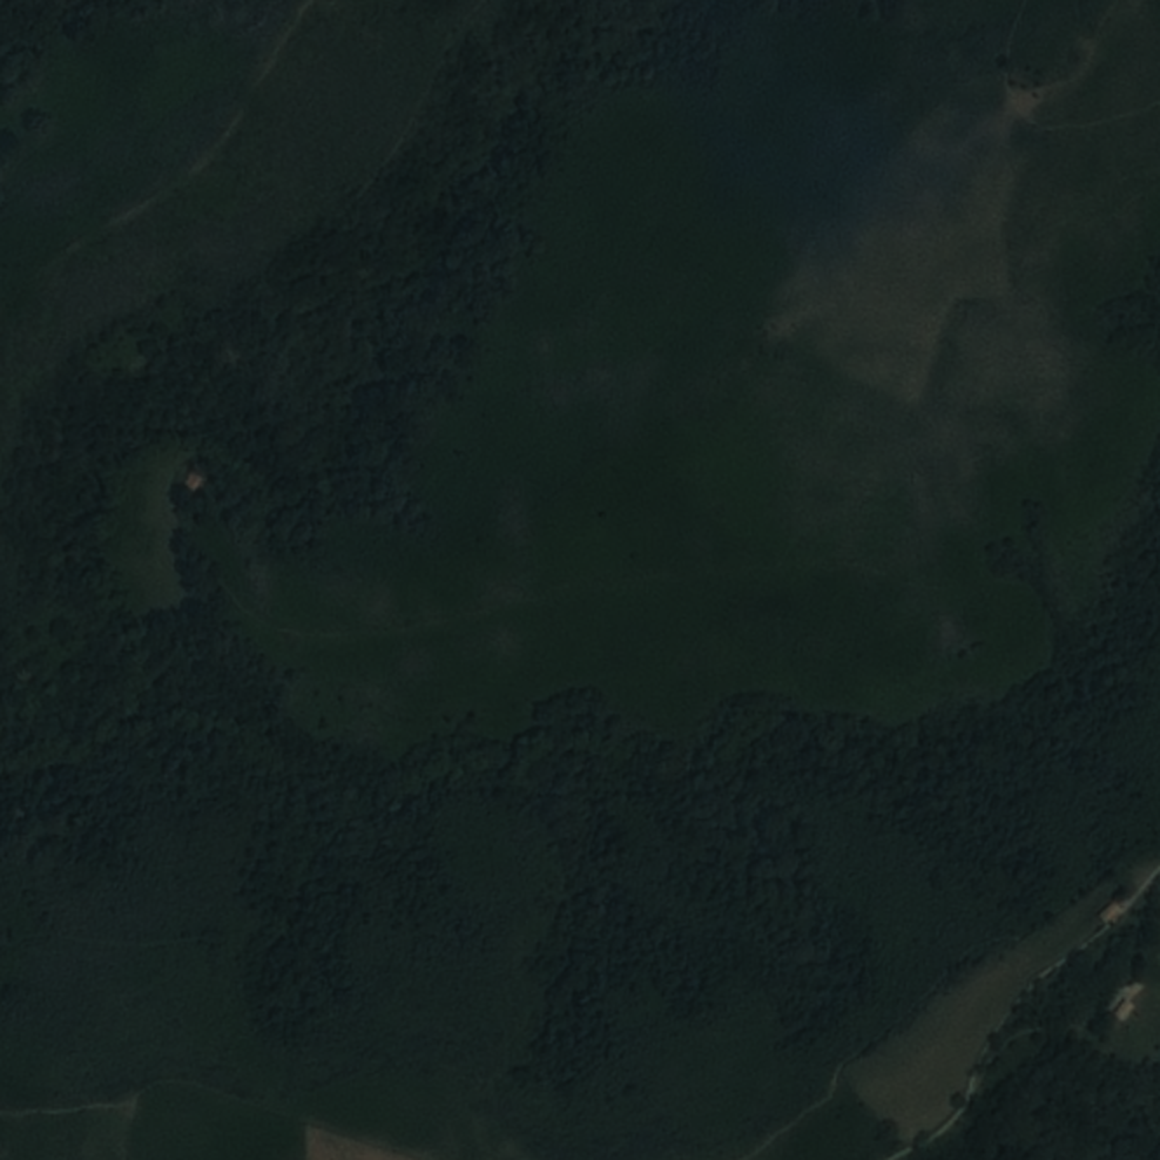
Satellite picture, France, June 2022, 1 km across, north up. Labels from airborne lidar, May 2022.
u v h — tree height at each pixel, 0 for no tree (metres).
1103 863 7
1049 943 0
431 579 0
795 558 0
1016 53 0
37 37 9
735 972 8
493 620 0
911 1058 0
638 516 0
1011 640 0
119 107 0
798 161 0
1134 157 0
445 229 31
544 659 0
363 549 0
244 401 8
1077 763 14
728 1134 0
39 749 30
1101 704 11
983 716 11
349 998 15
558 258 0
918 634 0
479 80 18
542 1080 6
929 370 0
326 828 13
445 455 0
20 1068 0
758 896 14
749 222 0
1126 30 0
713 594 0
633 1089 9
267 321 9
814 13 20
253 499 21
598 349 0
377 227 21
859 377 0
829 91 0
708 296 0
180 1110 0
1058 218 0
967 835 6
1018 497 0
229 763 16
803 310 0
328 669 0
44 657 8
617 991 7
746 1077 0
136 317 9
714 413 0
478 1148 0
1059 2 0
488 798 10
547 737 25
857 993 8
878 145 0
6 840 21
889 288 0
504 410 0
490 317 15
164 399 21
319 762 14
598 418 0
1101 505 0
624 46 21
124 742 16
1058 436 0
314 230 8
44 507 20
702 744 8
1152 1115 16
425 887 13
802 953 20
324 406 16
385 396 32
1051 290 0
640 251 0
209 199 0
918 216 0
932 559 0
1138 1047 0
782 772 10
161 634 18
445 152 11
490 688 0
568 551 0
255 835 8
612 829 15
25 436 7
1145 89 0
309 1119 0
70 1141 0
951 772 6
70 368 11
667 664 0
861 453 0
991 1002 0
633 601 0
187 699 17
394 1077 0
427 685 0
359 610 0
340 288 15
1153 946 22
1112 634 11
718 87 9
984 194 0
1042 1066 20
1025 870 15
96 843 14
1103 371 0
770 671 0
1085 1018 16
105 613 20
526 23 12
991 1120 12
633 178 0
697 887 12
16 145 26
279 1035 8
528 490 0
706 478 0
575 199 0
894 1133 12
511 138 27
